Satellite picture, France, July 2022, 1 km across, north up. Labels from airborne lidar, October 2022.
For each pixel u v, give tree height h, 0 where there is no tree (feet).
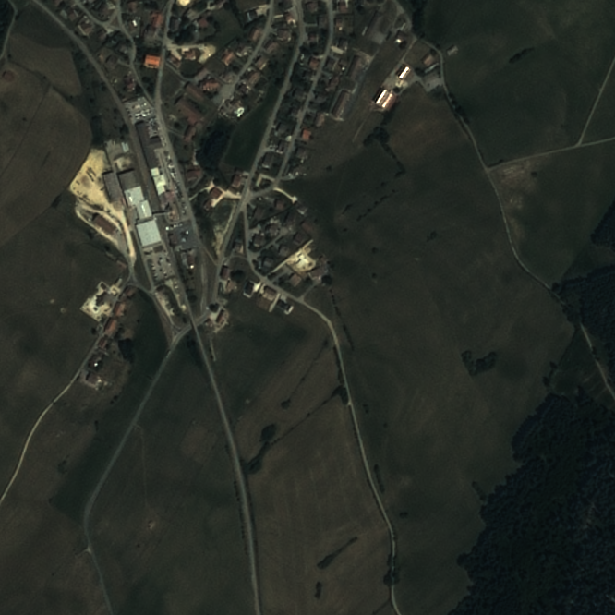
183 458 0
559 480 26
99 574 0
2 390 0
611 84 0
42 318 0
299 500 0
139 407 0
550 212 0
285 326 0
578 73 0
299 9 0
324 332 0
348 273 0
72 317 0
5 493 0
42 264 0
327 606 0
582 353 0
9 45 0
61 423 0
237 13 25
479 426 0
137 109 0
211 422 0
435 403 0
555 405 77
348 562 0
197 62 0
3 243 0
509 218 0
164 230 0
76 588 0
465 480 0
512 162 0
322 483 0
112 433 0
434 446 0
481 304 0
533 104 0
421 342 0
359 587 0
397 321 0
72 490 0
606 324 64
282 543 0
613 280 62
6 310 0
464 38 0
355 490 0
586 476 50
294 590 0
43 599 0
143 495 0
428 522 0
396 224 0
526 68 0
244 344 0
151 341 0
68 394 0
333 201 0
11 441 0
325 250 0
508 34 0
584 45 0
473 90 0
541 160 0
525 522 20
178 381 0
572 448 30
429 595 0
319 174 0
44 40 0
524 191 0
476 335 0
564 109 0
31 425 0
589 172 0
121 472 0
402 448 0
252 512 0
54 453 0
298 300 0
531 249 0
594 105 0
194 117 0
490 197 0
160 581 0
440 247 0
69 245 0
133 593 0
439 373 0
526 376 0
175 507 0
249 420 0
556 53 0
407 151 0
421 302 0
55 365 0
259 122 0
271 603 0
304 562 0
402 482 0
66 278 0
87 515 0
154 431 0
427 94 0
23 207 0
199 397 0
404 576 0
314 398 0
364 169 0
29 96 0
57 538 0
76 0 0
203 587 0
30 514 0
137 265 0
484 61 0
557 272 0
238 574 0
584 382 0
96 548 0
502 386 0
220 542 0
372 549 0
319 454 0
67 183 0
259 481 0
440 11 0
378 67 0
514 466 0
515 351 0
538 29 0
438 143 0
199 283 0
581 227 0
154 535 0
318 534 0
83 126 0
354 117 0
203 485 0
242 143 0
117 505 0
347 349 0
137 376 0
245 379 0
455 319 0
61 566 0
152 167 0
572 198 0
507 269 0
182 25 23
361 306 0
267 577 0
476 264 0
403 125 0
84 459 0
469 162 0
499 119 0
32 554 0
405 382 0
